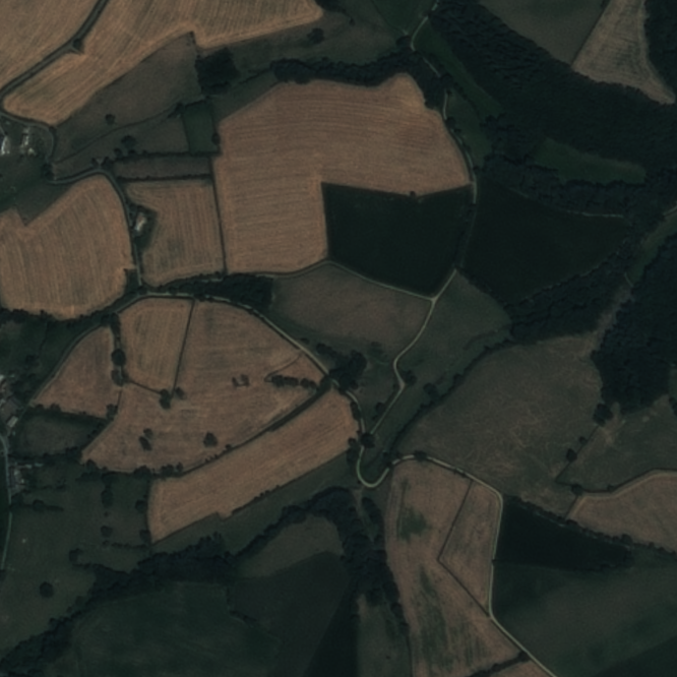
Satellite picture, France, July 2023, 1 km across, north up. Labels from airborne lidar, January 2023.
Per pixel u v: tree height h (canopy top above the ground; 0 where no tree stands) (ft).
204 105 29
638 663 0
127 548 26
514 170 100
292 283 0
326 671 0
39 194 0
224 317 0
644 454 0
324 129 0
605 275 55
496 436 0
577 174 0
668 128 57
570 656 0
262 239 0
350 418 0
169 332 0
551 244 0
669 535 0
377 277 0
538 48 41
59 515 0
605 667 0
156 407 0
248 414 0
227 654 0
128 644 0
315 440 0
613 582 0
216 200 0
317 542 0
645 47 0
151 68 0
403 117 0
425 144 0
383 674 0
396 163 0
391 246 0
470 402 0
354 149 0
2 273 0
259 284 49
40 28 0
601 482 0
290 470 0
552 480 0
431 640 0
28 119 0
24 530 0
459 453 0
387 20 0
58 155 0
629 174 0
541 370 0
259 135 0
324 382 26
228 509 0
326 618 0
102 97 0
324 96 0
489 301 0
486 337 0
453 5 54
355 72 36
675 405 41
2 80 0
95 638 0
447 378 0
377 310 0
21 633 0
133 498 0
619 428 0
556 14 0
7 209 0
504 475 0
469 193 0
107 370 0
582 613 0
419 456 40
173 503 0
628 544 38
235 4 0
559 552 0
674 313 62
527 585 0
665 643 0
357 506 75
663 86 0
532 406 0
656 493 0
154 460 0
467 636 0
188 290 33
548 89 55
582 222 0
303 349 0
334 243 0
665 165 66
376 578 72
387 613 0
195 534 0
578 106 64
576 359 0
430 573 0
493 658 0
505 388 0
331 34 0
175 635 0
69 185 0
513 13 0
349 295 0
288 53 0
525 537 0
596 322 47
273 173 0
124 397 0
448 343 0
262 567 0
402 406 0
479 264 0
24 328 0
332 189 0
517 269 0
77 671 0
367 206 0
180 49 0
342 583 0
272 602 0
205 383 0
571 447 0
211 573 84
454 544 0
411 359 0
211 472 0
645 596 0
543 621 0
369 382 0
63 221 0
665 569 0
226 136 0
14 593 0
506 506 0
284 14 0
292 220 0
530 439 0
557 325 78
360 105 0
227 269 0
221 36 0
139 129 0
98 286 0
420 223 0
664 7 70
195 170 0
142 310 0
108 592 39
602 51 0
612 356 58
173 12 0
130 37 0
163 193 0
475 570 0
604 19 0
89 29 0
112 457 0
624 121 86
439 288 0
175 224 0
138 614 0
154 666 0
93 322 28
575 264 0
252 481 0
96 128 0
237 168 0
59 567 0
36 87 0
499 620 0
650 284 61
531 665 0
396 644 0
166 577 47
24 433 0
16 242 0
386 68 40
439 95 72
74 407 0
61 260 0
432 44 0
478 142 0
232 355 0
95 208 0
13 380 0
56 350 0
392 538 0
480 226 0
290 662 0
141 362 0
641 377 70
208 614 0
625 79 0
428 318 0
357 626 26
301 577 0
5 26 0
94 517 0
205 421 0
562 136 85
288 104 0
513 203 0
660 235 0
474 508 0
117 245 0
